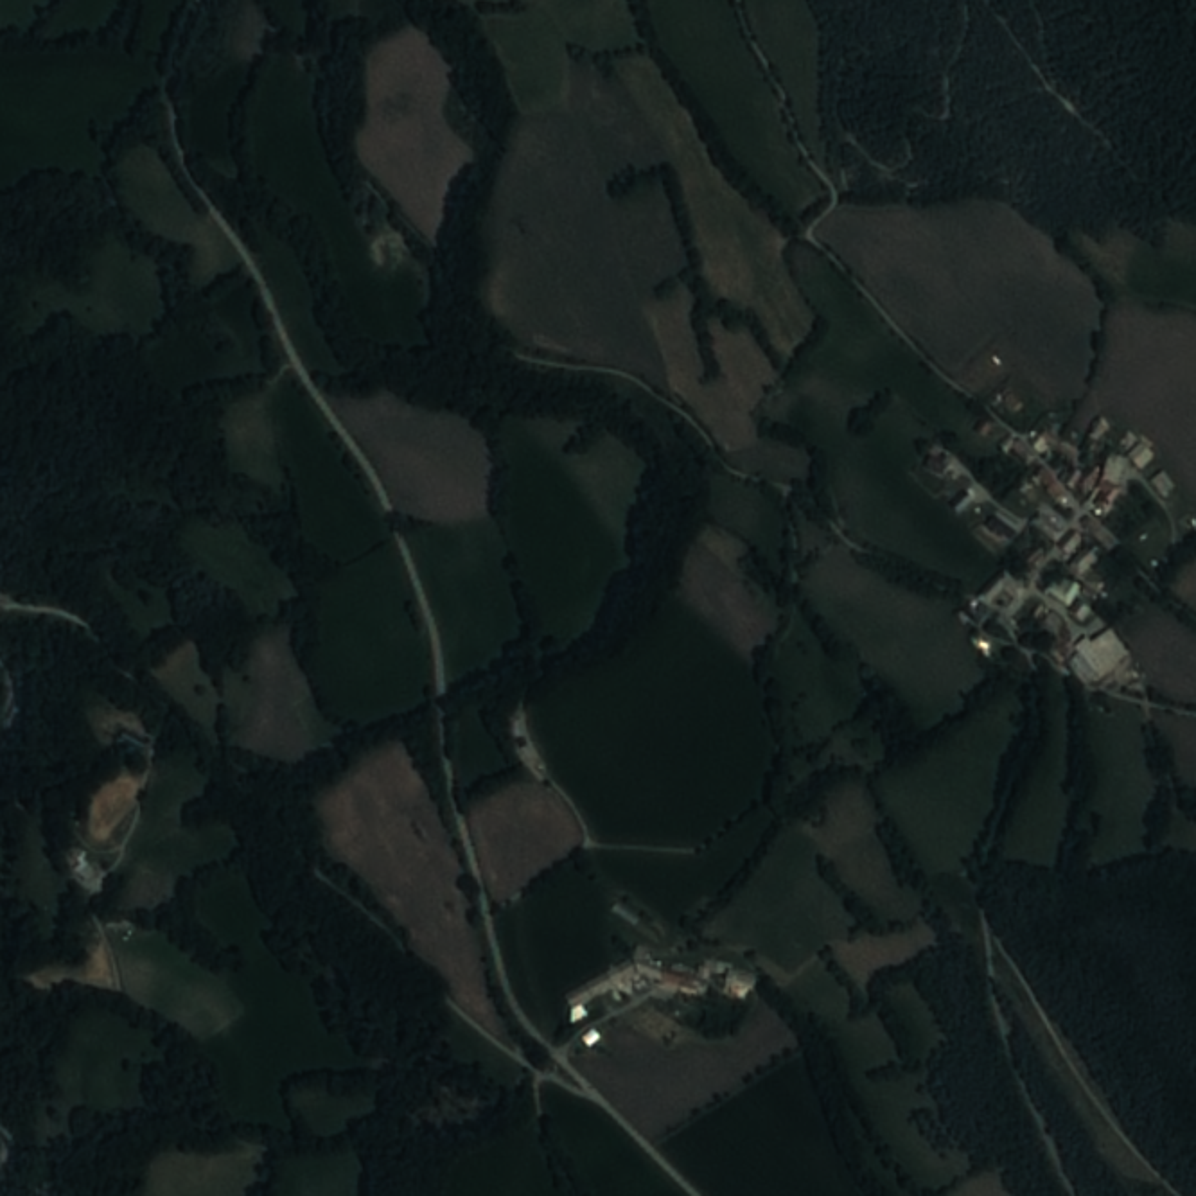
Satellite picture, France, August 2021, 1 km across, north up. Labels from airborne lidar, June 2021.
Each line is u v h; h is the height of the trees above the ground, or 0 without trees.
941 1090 11
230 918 0
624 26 0
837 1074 14
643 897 0
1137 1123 18
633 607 25
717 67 0
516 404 16
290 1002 0
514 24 0
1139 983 18
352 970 25
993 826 9
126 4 11
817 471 12
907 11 12
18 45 16
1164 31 15
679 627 0
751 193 11
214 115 0
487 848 0
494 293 0
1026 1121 13
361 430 0
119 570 21
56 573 20
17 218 18
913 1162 0
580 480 0
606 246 0
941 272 0
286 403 0
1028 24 10
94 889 0
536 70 0
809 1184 0
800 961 0
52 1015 19
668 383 0
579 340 0
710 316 11
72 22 0
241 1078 0
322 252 13
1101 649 0
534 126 0
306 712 0
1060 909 16
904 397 0
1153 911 20
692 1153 0
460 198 20
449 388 17
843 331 0
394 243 0
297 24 0
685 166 0
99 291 0
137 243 14
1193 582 0
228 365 0
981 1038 9
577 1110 0
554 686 14
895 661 0
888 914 0
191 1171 0
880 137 11
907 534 0
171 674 0
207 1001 0
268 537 15
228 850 0
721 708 0
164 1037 18
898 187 6
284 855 23
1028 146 8
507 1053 0
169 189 0
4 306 21
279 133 0
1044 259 0
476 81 16
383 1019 28
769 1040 0
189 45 20
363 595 0
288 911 29
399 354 19
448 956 0
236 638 16
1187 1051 15
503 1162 0
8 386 19
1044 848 0
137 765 22
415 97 0
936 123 9
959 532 0
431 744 11
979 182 12
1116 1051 15
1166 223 6
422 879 0
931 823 0
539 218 0
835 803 0
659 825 0
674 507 29
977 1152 9
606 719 0
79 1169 24
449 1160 11
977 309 0
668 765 0
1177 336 0
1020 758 19
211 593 14
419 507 0
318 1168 0
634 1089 0
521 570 13
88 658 24
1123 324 0
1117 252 0
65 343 20
